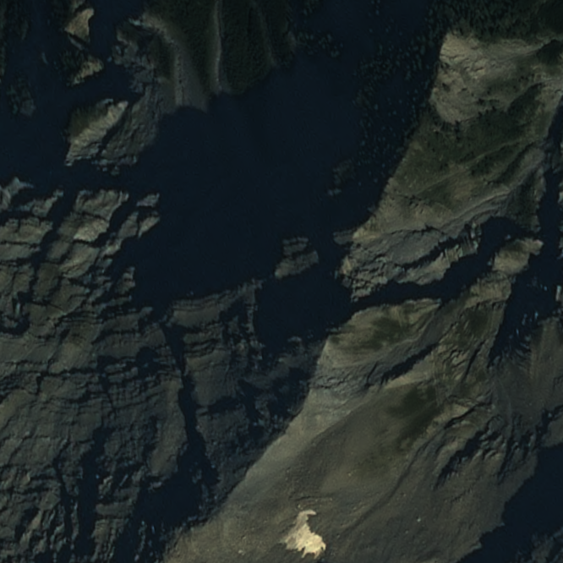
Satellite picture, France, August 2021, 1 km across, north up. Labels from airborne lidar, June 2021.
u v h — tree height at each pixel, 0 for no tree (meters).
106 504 0
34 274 0
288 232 0
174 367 0
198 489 0
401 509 0
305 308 0
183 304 0
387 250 0
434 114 15
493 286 0
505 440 0
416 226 0
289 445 0
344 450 0
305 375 0
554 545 0
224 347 0
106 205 0
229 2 6
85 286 0
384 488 0
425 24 10
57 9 7
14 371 0
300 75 0
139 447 0
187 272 0
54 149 0
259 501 0
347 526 0
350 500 0
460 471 0
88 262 0
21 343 0
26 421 0
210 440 0
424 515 0
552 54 6
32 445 0
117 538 0
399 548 0
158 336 0
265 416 0
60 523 0
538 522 0
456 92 0
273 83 0
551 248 0
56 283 0
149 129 0
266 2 6
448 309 0
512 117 7
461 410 0
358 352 0
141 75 0
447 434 0
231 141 0
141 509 0
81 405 0
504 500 0
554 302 0
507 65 0
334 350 0
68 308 0
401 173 0
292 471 0
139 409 0
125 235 0
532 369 0
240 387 0
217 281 0
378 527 0
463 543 0
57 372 0
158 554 0
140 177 0
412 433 0
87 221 0
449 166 8
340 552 0
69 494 0
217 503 0
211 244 0
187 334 0
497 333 0
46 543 0
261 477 0
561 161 0
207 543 0
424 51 23
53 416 0
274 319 0
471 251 0
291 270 0
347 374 0
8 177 0
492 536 0
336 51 13
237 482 0
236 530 0
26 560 0
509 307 0
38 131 0
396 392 0
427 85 17
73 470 0
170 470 0
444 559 0
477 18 17
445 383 0
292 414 0
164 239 0
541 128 0
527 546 0
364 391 0
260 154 0
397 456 0
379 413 0
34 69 0
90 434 0
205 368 0
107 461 0
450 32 7
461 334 0
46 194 0
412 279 0
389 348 0
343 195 0
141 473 0
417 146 0
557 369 0
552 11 6
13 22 6
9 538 0
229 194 0
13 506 0
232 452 0
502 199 0
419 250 0
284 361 0
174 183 0
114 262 0
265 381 0
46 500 0
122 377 0
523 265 0
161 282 0
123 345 0
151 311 0
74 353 0
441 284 0
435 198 0
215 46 0
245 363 0
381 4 23
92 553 0
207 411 0
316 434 0
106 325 0
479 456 0
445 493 0
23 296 0
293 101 0
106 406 0
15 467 0
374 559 0
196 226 0
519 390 0
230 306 0
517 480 0
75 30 0
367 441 0
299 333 0
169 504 0
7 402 0
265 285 0
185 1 8
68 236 0
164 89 0
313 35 11
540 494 0
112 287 0
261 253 0
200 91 0
